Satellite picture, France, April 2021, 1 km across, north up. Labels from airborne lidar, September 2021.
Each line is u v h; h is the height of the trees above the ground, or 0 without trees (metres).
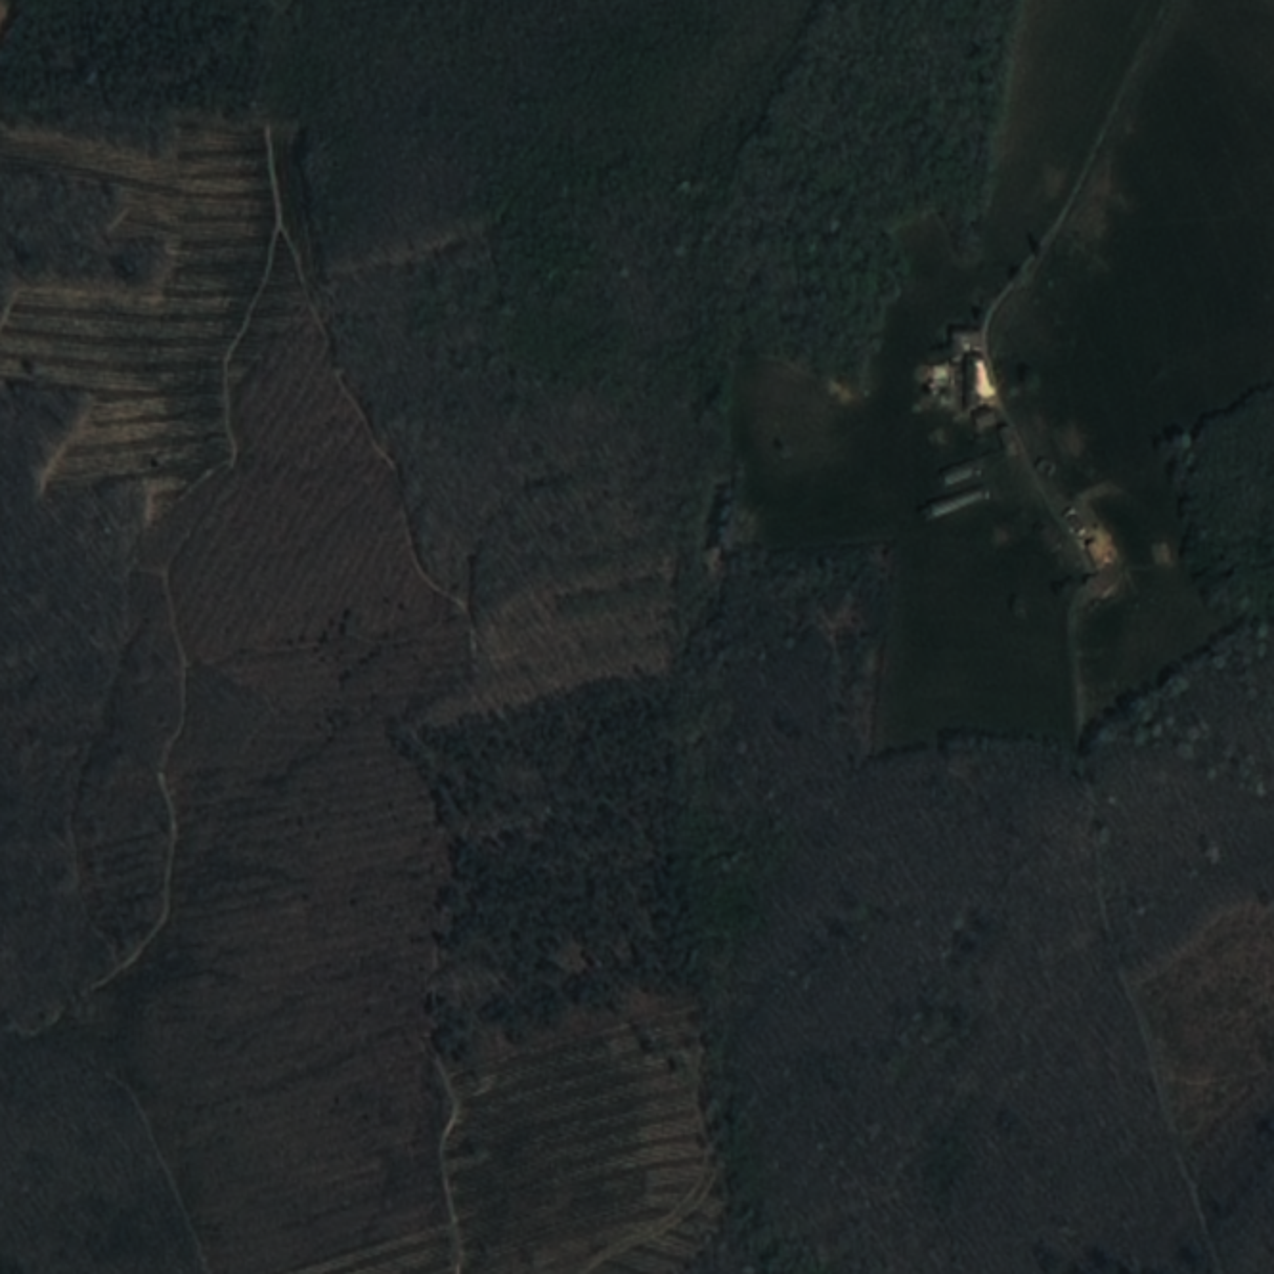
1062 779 17
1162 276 0
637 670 22
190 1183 7
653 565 21
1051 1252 18
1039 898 19
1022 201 0
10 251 22
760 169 23
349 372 0
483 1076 18
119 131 18
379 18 15
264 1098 6
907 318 0
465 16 14
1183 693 21
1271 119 0
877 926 19
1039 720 0
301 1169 7
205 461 0
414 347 0
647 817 20
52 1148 18
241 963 6
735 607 18
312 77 15
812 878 21
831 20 28
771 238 26
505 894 25
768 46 15
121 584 19
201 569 6
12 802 0
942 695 0
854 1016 19
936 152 25
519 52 18
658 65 18
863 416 0
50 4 19
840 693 13
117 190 0
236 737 11
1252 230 0
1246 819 16
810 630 9
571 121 16
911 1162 21
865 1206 22
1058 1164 19
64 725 9
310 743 5
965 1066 18
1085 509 0
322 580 6
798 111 23
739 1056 19
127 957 22
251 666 7
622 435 0
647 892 16
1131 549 0
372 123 18
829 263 28
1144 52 0
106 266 17
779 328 26
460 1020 17
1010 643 0
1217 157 0
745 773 17
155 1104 6
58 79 17
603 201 17
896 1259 20
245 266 0
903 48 24
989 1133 19
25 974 0
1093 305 0
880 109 26
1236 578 12
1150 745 17
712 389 18
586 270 17
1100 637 0
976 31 20
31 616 24
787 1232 18
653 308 19
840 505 0
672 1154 0
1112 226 0
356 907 7
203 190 0
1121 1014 18
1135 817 18
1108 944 19
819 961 20
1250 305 0
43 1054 17
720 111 18
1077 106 0
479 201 0
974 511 0
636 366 17
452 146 0
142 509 19
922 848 19
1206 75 0
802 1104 20
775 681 17
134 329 0
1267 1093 11
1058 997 19
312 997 6
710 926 20
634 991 25
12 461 19
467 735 23
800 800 17
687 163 19
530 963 25
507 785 13
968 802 18
